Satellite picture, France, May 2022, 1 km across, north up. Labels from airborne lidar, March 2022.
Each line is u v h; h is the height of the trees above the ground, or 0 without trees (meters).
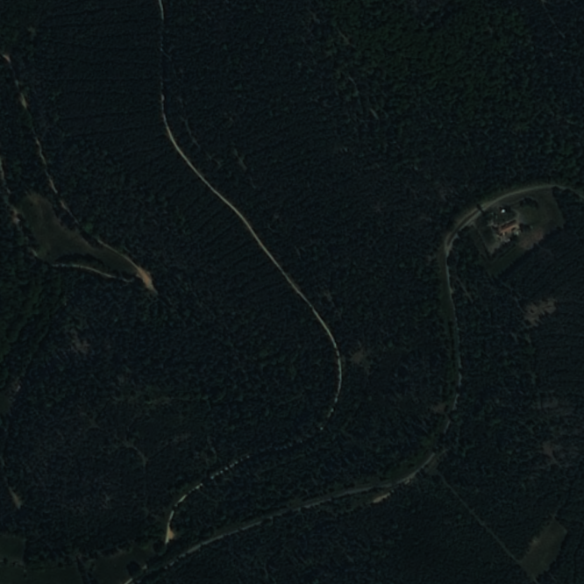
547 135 25
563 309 15
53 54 15
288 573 8
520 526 10
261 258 18
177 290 27
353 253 20
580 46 24
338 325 22
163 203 20
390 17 19
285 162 19
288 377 22
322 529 23
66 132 12
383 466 14
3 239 28
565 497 12
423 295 24
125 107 17
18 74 30
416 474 0
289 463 12
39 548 14
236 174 17
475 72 22
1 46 10
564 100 20
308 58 16
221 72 18
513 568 15
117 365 28
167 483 8
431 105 21
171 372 27
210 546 8
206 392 34
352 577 21
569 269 18
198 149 15
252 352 26
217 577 11
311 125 17
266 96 19
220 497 24
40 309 21
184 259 25
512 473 8
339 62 15
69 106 18
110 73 20
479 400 6
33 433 23
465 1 20
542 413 15
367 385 6
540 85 21
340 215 20
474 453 6
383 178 10
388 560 10
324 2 18
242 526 0
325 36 17
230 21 20
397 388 6
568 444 16
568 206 18
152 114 17
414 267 19
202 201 17
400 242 20
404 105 21
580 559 14
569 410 15
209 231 16
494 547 9
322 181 11
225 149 17
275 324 23
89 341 28
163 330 9
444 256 0
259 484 9
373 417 24
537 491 9
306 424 29
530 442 15
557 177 15
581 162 17
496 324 19
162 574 11
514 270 15
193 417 6
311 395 21
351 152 15
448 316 0
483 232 0
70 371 25
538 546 0
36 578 0
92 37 14
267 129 19
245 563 22
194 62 19
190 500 22
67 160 27
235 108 18
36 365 9
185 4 19
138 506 8
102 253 0
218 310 17
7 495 26
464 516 8
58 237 0
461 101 25
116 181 25
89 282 25
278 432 13
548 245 14
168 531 0
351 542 26
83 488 9
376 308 22
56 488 21
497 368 17
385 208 17
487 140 19
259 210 19
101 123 20
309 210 19
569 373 14
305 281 21
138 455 23
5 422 18
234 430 12
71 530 13
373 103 18
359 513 7
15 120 25
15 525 10
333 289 25
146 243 29
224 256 18
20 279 31
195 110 17
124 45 19
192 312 30
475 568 8
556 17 24
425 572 9
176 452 6
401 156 16
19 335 33
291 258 19
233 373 13
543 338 16
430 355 7
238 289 15
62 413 28
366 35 19
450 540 7
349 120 9
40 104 26
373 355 26
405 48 19
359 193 17
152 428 7
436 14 13
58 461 24
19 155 26
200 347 17
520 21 20
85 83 19
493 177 21
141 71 22
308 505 0
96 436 7
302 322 26
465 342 14
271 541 9
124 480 10
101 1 20
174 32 16
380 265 21
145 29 18
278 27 20
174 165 17
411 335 21
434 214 19
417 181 19
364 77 7
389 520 8
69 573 0
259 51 17
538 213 0
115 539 13
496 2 23
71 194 23
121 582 0
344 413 10
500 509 10
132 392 6
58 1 19
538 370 16
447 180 14
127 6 18
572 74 15
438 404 12
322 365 22
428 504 8
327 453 9
